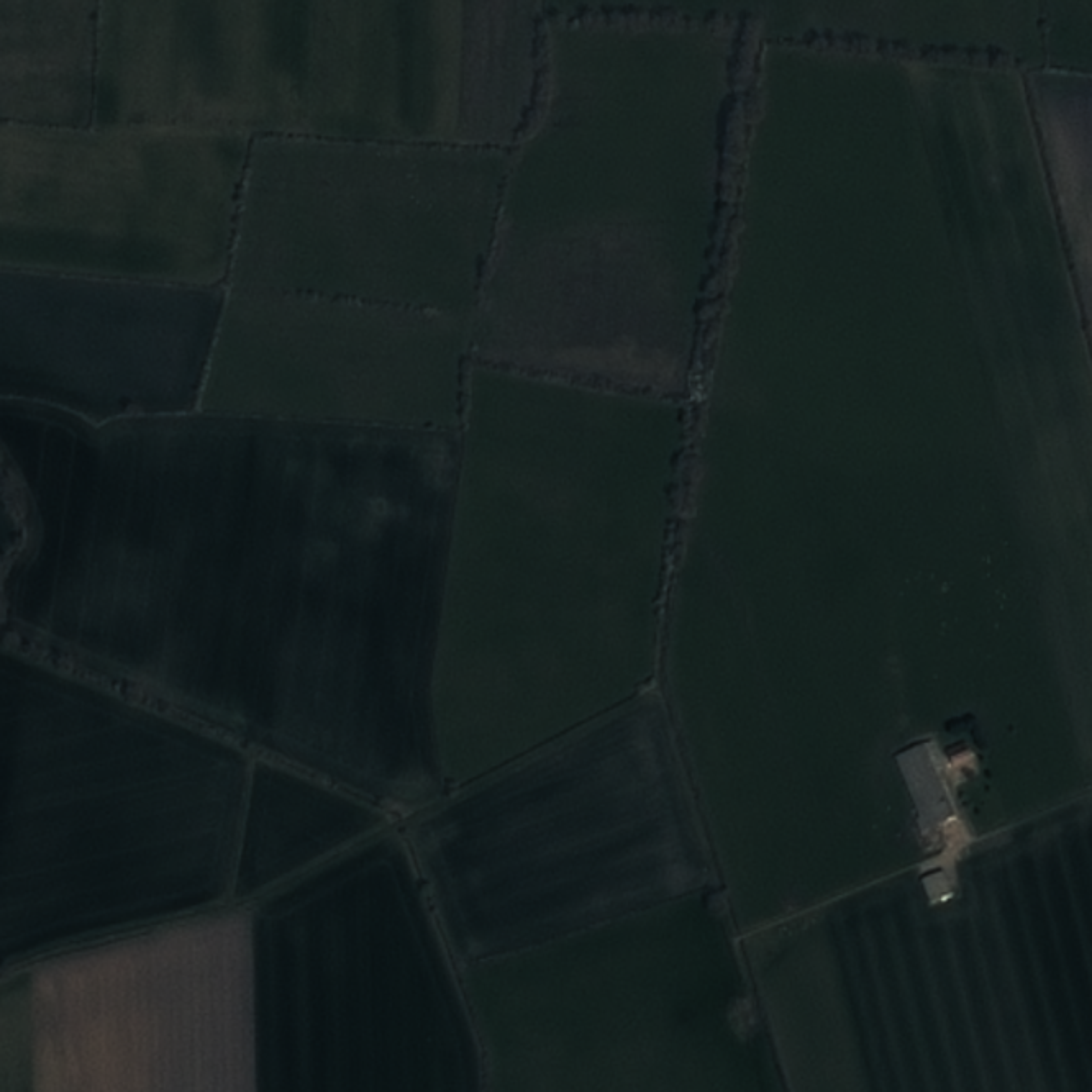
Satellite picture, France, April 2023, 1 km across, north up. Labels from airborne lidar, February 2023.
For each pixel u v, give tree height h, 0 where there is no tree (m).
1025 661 0
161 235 0
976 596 0
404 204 0
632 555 0
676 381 0
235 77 0
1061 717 0
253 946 0
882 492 0
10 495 19
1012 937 0
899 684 0
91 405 0
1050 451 0
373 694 0
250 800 0
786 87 0
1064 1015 0
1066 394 0
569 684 0
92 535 0
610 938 0
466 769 0
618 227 0
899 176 0
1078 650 0
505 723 0
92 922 0
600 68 0
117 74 0
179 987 0
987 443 0
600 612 0
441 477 0
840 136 0
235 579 0
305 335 0
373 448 0
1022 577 0
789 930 0
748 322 0
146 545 0
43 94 0
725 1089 0
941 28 0
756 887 0
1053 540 0
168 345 0
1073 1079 0
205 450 0
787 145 0
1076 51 0
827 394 0
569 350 0
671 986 0
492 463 0
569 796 0
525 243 0
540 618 0
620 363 0
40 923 0
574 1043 0
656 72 0
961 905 0
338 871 0
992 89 0
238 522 0
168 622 0
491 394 0
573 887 0
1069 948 0
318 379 0
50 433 0
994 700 0
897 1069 0
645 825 0
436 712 0
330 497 0
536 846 0
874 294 0
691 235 0
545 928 0
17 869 0
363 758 0
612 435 0
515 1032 0
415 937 0
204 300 0
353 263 0
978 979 0
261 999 0
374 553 0
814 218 0
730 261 19
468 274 0
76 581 0
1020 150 0
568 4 0
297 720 0
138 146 0
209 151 0
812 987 0
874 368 0
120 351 0
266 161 0
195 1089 0
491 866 0
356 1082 0
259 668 0
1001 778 0
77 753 0
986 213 0
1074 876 0
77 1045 0
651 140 0
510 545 0
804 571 0
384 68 0
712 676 0
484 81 0
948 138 0
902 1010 0
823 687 0
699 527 0
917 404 0
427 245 0
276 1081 0
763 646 0
